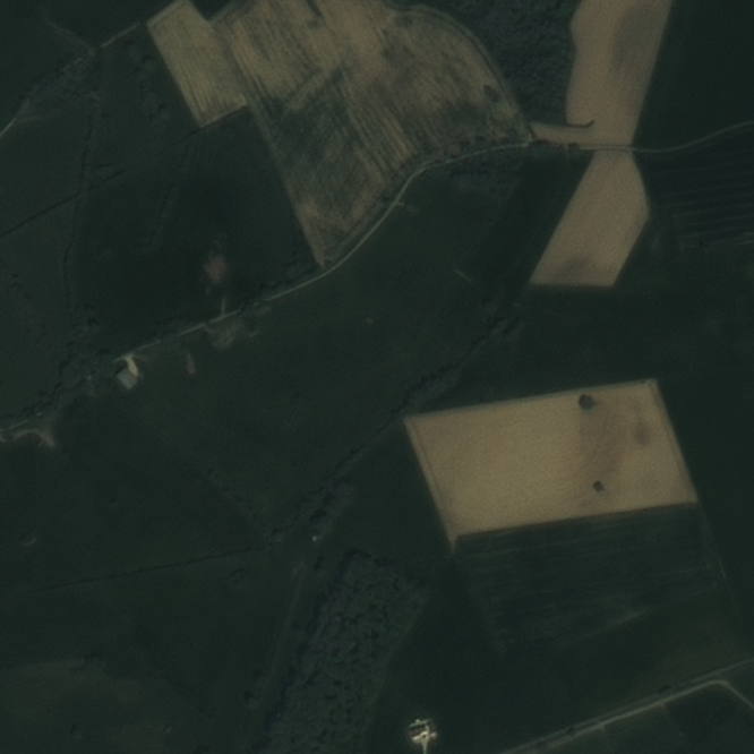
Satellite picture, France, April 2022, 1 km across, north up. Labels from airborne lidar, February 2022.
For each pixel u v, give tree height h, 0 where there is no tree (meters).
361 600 32
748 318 0
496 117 0
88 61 14
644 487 0
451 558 0
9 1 0
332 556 0
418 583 20
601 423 0
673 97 0
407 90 0
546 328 0
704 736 0
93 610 0
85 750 0
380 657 23
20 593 0
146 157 0
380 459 0
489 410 0
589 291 0
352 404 0
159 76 0
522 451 0
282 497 0
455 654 0
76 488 0
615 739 0
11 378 0
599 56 0
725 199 0
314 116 0
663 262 0
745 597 0
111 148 0
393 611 27
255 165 0
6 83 0
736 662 0
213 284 0
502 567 0
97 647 0
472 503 0
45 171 0
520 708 0
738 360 0
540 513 0
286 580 0
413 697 0
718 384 0
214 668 0
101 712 0
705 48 0
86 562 0
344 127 0
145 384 0
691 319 0
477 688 0
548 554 0
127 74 0
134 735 0
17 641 0
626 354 0
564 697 0
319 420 0
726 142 0
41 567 0
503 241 0
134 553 0
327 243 0
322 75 0
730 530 0
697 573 0
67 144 0
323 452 0
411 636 0
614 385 0
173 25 0
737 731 0
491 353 0
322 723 31
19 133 0
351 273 0
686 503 0
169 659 0
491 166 8
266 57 0
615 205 0
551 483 0
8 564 0
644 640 0
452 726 0
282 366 0
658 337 0
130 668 0
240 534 0
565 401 0
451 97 0
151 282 0
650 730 0
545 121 18
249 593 0
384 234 0
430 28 0
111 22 0
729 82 0
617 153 0
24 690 0
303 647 0
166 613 0
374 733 0
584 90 0
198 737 0
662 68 0
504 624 0
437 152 0
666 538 0
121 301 0
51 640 0
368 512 0
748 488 0
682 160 0
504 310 0
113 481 0
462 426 0
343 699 30
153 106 13
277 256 0
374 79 0
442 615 0
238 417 0
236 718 0
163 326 6
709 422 0
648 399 0
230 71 0
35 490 0
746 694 0
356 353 0
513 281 0
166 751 0
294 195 0
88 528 0
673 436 0
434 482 0
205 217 0
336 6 0
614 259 0
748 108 0
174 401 0
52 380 0
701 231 0
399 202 0
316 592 0
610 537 0
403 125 0
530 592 0
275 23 0
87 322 0
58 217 0
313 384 0
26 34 0
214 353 0
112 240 0
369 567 27
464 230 0
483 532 0
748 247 0
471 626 0
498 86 0
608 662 0
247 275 0
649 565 0
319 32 0
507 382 0
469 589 0
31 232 0
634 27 0
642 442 0
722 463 0
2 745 0
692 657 0
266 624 0
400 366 0
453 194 0
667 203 0
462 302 0
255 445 0
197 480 0
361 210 0
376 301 0
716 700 0
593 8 0
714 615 0
